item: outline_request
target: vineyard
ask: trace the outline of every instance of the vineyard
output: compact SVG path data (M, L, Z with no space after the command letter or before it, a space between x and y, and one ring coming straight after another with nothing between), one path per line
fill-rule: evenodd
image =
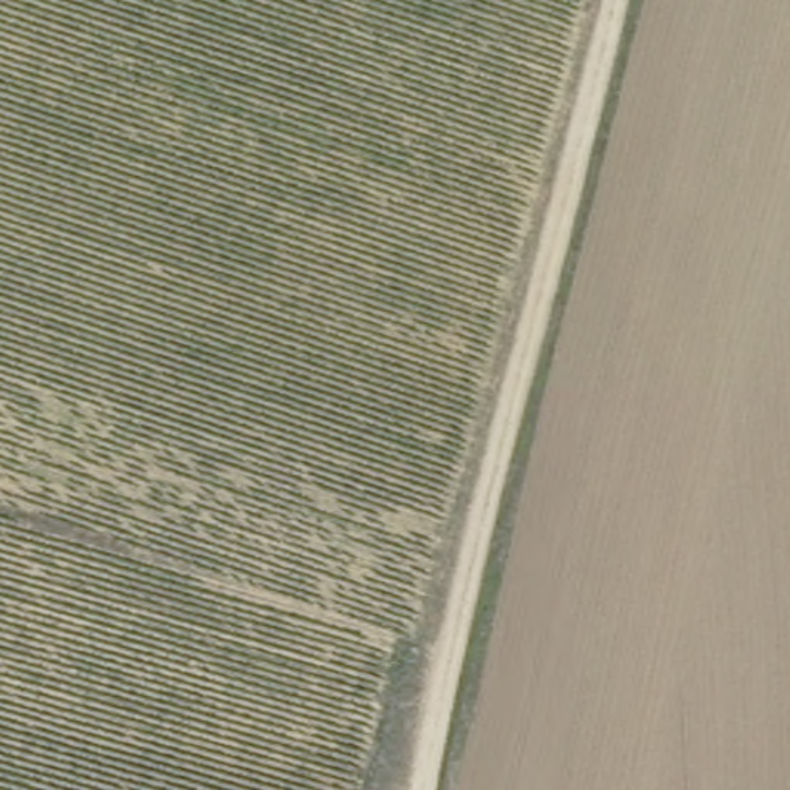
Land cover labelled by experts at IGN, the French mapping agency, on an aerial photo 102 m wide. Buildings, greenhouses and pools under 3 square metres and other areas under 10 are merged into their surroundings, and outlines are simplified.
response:
M512 188L506 167L497 160L506 151L525 151L540 145L546 111L562 74L565 34L571 28L577 0L0 0L0 790L346 790L346 775L355 775L358 768L361 725L370 722L370 697L386 697L395 642L410 639L410 654L429 667L429 648L435 645L444 623L444 608L472 497L466 491L457 491L454 506L444 509L441 491L463 447L463 423L475 398L472 367L484 361L494 324L491 309L497 296L497 278L503 272L506 253L512 250L518 210L525 201Z

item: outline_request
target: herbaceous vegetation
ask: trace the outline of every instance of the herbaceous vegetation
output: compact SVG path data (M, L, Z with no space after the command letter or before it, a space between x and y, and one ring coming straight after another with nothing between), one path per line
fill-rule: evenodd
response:
M370 697L370 722L361 725L358 768L355 775L346 775L346 790L410 790L414 744L429 667L410 654L410 639L395 642L386 697Z
M475 716L497 596L509 562L515 509L525 488L540 407L562 339L565 312L574 290L589 216L596 207L602 167L645 0L626 0L617 56L611 65L596 139L586 160L580 204L574 213L568 250L559 272L559 287L549 306L546 333L528 386L518 435L512 444L488 543L488 559L469 623L466 654L457 679L435 790L451 790L451 784L460 781L460 759L466 753L469 725Z
M512 250L506 253L503 272L497 278L497 296L491 309L494 324L484 361L472 367L475 398L463 423L463 447L441 491L444 509L454 506L457 491L466 491L472 497L488 451L494 410L503 392L515 330L522 321L543 222L552 204L552 185L559 176L559 160L574 117L577 89L602 0L577 0L571 28L565 34L562 74L546 111L540 145L525 151L506 151L497 160L506 167L512 188L525 201L518 210Z

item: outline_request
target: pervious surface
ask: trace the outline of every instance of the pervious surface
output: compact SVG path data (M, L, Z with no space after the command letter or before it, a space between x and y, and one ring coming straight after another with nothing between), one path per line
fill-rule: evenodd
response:
M580 204L586 160L596 139L611 65L617 56L626 0L602 0L577 89L574 117L559 160L559 176L552 185L552 204L543 222L522 321L515 330L503 392L494 410L488 451L472 497L444 608L444 623L435 645L429 648L429 667L414 744L410 790L435 790L457 679L466 654L469 623L488 559L488 543L512 444L518 435L528 386L546 333L549 306L559 287L559 272L568 250L574 213Z

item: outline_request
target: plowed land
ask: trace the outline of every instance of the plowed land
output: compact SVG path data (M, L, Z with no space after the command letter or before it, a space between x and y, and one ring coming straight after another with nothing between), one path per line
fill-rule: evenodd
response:
M451 784L451 790L790 790L790 0L645 0L602 167L596 207L589 216L574 290L565 312L562 339L540 407L525 488L515 509L509 562L497 596L475 716L469 725L466 753L460 759L460 781Z

